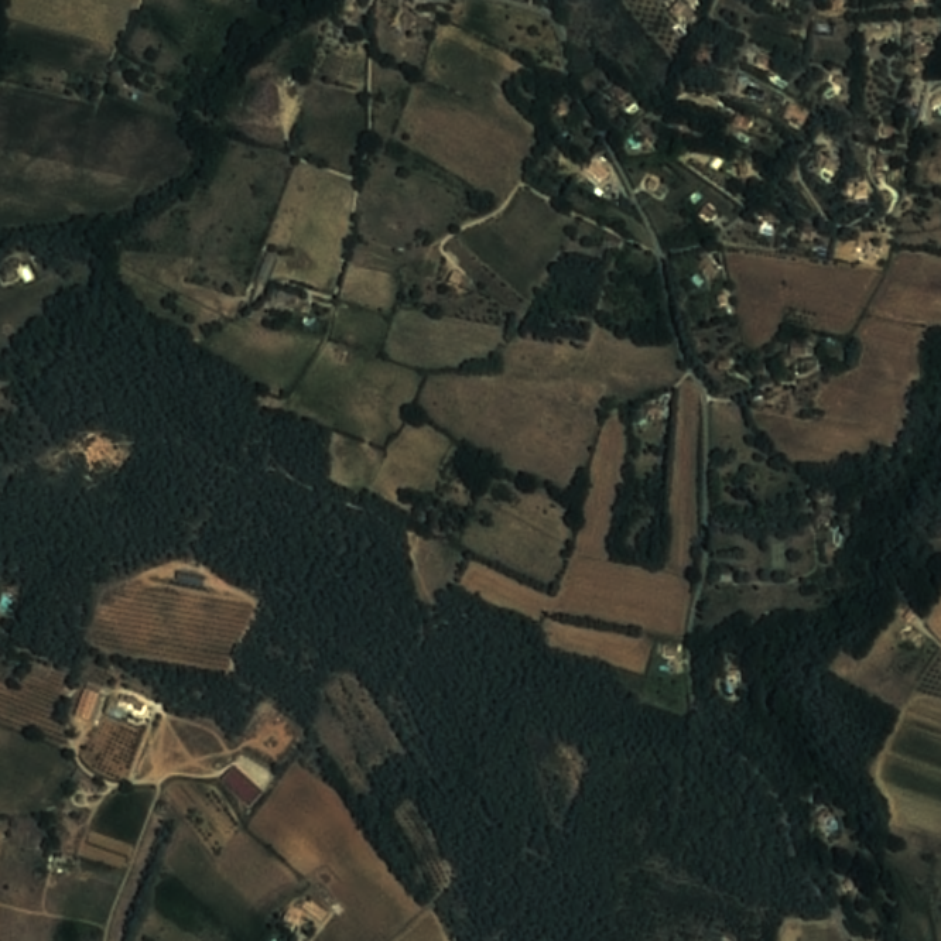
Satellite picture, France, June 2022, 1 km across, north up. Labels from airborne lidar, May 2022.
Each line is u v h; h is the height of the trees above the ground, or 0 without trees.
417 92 0
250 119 0
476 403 0
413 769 11
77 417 14
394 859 23
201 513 15
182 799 0
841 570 10
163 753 0
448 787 21
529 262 0
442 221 0
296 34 11
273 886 0
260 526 16
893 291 0
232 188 0
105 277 12
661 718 9
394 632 14
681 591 0
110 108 0
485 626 18
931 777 0
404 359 0
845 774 14
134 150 0
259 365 0
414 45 0
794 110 0
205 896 0
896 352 0
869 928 16
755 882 17
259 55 15
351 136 0
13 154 0
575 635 0
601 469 0
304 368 0
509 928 12
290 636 15
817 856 17
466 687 14
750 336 0
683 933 6
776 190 8
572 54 8
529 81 17
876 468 22
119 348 19
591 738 16
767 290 0
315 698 12
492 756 19
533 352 0
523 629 20
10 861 0
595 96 15
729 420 0
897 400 0
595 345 0
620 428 0
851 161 13
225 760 0
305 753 11
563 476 0
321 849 0
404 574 19
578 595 0
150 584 0
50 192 0
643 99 13
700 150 18
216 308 0
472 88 0
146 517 12
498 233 0
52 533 17
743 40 9
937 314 0
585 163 13
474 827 17
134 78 15
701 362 12
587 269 12
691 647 16
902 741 0
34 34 0
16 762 0
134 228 13
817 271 0
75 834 0
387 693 16
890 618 17
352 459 0
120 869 0
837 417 0
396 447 0
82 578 16
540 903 14
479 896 16
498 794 19
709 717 20
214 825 0
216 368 19
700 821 12
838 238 6
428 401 0
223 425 20
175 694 17
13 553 19
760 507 25
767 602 0
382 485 0
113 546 17
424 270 0
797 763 18
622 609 0
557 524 0
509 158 0
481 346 0
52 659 19
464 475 16
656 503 12
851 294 0
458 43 0
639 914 7
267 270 0
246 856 0
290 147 11
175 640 0
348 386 0
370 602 16
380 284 0
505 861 17
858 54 11
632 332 16
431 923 0
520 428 0
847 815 7
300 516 14
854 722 12
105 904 0
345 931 0
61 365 19
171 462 14
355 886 0
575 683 16
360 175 16
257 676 12
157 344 13
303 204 0
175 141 0
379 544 16
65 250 20
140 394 16
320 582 19
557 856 10
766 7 8
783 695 23
